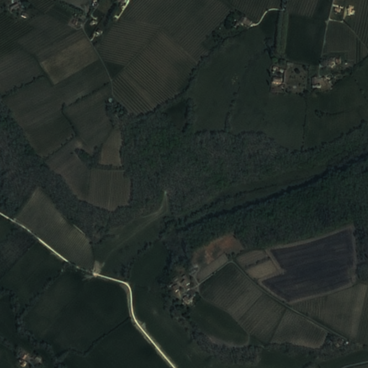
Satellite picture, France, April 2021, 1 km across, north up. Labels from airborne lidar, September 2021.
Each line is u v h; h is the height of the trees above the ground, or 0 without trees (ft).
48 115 0
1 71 0
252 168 78
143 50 0
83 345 0
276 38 44
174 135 78
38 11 0
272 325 0
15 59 0
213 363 0
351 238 0
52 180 61
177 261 60
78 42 0
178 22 0
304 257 0
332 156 69
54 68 0
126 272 88
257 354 68
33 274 0
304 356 43
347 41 0
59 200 63
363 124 48
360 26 0
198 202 68
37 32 0
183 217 0
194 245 61
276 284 0
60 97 0
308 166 70
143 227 0
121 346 0
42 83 0
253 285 0
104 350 0
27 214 0
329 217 50
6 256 20
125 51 0
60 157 0
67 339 0
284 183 0
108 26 48
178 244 0
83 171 0
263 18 0
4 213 50
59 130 0
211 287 0
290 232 65
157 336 0
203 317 0
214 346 41
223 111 0
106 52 0
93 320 0
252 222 70
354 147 53
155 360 0
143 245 0
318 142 0
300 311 0
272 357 0
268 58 0
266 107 0
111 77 0
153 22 0
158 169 60
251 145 74
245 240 64
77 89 0
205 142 68
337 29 0
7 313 0
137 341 0
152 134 79
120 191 0
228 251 0
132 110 0
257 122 0
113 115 58
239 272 0
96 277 0
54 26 0
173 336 0
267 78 0
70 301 0
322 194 70
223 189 62
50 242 0
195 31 0
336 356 75
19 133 71
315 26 0
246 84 0
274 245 51
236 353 66
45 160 40
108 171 41
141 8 0
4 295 25
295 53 0
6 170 43
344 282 0
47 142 0
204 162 65
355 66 34
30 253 0
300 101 0
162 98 0
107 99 0
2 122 75
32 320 0
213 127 0
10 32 0
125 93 0
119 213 65
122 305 0
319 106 0
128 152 66
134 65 0
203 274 0
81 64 0
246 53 0
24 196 52
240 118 0
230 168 79
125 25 0
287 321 0
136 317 0
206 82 0
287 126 0
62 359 64
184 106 0
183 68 0
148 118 58
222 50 57
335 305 0
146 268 0
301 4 0
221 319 0
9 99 0
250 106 0
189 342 0
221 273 0
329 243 0
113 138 0
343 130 0
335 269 0
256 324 0
